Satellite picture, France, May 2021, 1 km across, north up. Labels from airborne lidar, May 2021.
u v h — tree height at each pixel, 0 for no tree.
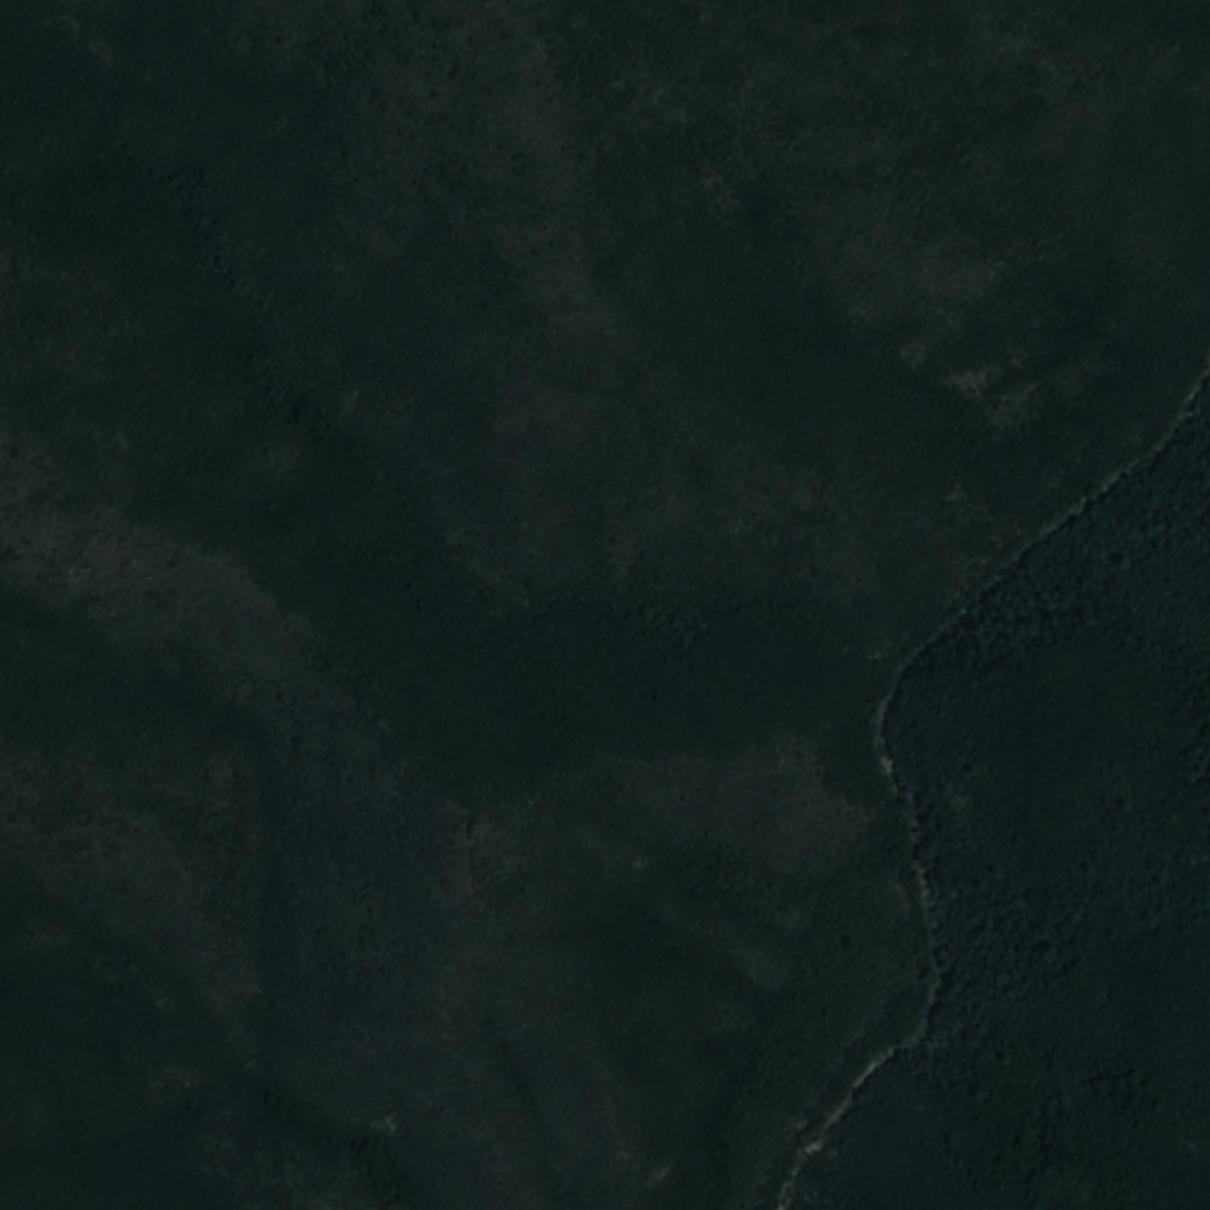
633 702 6
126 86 6
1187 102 5
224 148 6
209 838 6
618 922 6
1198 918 14
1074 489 8
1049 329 6
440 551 7
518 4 0
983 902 16
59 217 7
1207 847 10
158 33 5
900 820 18
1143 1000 7
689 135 6
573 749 6
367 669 5
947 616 11
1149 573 8
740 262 5
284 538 6
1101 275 6
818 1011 6
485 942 0
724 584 7
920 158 6
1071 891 14
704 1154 5
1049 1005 8
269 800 7
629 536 0
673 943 7
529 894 11
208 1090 7
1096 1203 6
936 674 22
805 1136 16
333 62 6
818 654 6
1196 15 6
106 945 6
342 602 7
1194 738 9
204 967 0
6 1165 6
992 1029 12
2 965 7
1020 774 6
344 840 7
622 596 7
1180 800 9
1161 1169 7
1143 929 7
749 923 6
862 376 6
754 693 5
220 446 6
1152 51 5
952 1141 14
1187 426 10
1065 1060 10
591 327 0
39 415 6
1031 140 6
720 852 6
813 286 6
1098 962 7
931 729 7
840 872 6
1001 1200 6
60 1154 6
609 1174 0
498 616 6
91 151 8
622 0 5
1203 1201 8
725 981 6
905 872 10
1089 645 7
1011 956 14
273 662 0
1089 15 5
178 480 7
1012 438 6
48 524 0
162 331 6
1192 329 7
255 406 9
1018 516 6
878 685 6
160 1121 11
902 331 6
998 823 6
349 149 6
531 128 0
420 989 0
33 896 6
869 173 6
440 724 7
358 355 6
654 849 6
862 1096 14
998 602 15
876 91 5
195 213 19
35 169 6
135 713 6
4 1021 6
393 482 5
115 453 5
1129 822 13
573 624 6
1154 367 8
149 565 0
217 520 5
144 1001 6
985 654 16
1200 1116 9
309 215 5
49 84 7
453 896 0
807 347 6
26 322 6
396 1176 6
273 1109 8
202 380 6
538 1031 0
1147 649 9
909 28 6
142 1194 6
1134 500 12
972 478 6
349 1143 8
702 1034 6
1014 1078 9
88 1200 6
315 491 7
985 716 6
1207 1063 6
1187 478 14
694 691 6
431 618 8
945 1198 8
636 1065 5
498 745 6
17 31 6
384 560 8
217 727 6
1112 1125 7
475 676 7
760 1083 9
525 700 6
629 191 6
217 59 6
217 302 6
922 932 6
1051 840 7
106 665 6
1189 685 7
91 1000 7
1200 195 6
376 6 6
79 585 0
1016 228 6
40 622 6
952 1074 14
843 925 6
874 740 13
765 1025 6
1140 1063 6
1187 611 8
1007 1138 9
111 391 6
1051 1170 17
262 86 6
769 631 6
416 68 0
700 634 13
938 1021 17
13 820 6
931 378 7
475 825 9
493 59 0
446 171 6
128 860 0
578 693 6
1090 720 6
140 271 6
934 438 6
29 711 6
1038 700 7
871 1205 7
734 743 7
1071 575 8
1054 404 6
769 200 6
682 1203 5
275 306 5
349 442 14
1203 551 7
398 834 6
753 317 5
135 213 7
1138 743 10
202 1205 5
